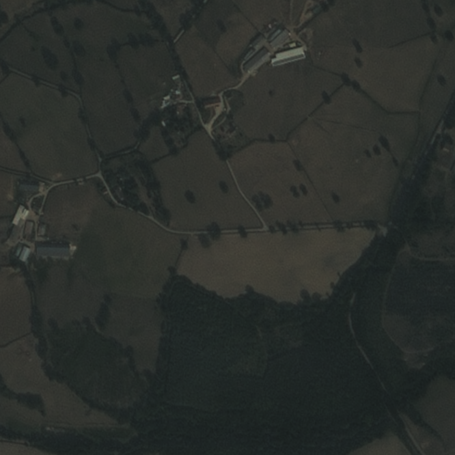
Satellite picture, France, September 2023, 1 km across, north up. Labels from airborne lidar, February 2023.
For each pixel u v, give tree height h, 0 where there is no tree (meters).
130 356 20
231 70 0
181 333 13
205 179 0
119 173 8
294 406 13
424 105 0
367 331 15
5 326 0
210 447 24
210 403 11
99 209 0
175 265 0
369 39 0
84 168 0
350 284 20
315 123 0
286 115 0
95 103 0
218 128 0
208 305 7
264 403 17
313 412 14
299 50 0
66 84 0
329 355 12
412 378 15
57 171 0
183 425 22
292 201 0
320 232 0
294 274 0
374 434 11
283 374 14
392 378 17
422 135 0
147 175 13
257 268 0
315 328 11
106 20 0
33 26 0
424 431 0
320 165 0
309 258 0
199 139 0
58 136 0
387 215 0
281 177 0
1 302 0
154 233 0
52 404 0
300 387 14
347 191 0
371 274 18
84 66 0
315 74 0
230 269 0
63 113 0
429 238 0
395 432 10
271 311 21
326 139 0
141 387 24
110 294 0
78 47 16
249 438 20
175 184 0
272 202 11
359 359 21
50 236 0
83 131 0
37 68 0
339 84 0
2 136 0
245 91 0
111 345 16
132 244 0
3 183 0
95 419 0
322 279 0
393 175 0
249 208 0
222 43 0
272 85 0
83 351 0
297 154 0
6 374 0
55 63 19
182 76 16
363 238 0
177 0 0
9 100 0
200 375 11
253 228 0
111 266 0
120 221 0
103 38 0
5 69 16
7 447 0
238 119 0
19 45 0
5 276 0
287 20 0
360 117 0
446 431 0
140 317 0
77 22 12
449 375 16
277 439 24
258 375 14
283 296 0
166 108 9
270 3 0
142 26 0
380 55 0
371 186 0
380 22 0
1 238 0
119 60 0
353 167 0
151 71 0
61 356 24
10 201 0
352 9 0
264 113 0
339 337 16
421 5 0
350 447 14
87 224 0
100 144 0
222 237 0
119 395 23
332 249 0
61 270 0
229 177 0
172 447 21
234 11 0
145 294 0
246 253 0
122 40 0
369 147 0
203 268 0
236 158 0
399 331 0
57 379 15
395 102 0
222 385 12
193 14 14
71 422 0
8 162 0
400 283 7
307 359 12
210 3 0
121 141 0
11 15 0
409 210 20
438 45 0
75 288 0
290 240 0
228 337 10
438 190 0
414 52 0
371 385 19
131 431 0
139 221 0
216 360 13
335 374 12
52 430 0
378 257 20
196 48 0
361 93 0
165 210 14
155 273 0
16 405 0
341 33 0
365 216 0
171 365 15
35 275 0
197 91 0
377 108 0
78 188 0
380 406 19
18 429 0
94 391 18
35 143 0
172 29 0
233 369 6
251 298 13
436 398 0
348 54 0
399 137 0
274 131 0
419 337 0
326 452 16
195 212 0
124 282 0
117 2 0
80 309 0
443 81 17
